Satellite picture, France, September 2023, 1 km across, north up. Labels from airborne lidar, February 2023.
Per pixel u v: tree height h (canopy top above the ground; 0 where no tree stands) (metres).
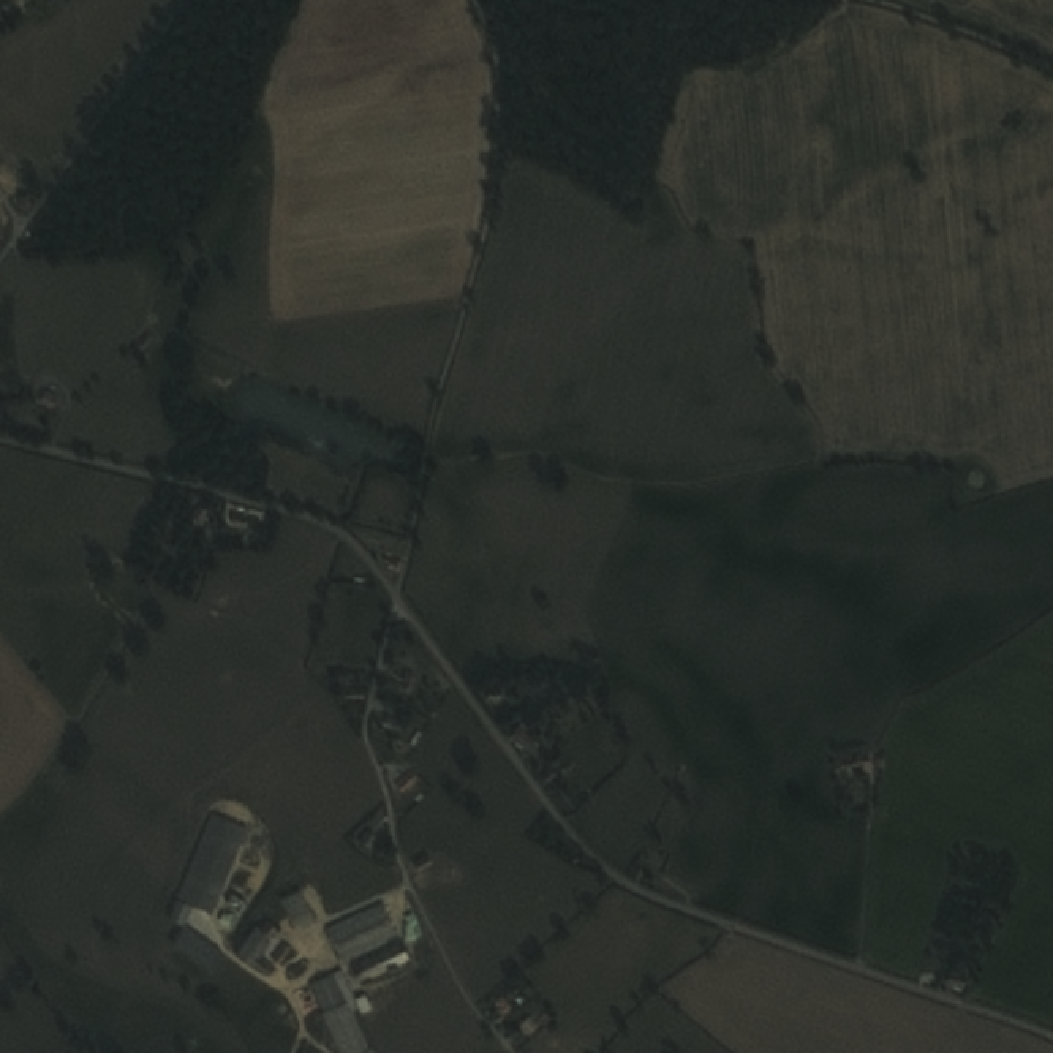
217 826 0
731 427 0
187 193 22
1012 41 11
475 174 0
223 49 23
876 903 0
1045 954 0
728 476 0
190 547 7
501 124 18
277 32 20
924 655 0
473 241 11
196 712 0
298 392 6
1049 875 0
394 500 0
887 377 0
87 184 12
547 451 0
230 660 0
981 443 0
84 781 0
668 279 0
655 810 0
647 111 21
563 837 7
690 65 16
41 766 0
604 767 0
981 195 0
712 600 0
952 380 0
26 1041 0
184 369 17
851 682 0
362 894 0
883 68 0
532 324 0
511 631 0
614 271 0
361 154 0
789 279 0
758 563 0
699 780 0
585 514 0
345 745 0
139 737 0
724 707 0
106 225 25
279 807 0
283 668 0
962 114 0
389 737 11
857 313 0
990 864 12
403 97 0
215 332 0
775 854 0
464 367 0
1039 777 0
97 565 19
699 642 0
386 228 0
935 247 0
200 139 10
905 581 0
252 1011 0
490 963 0
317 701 0
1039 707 0
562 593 0
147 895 0
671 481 0
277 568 0
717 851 0
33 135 0
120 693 0
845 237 0
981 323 0
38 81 0
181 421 17
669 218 0
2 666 0
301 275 0
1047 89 0
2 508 0
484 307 0
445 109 0
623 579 0
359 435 0
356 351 0
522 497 0
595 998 0
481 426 0
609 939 0
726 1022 0
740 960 0
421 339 0
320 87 0
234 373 0
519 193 0
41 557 0
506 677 15
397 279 0
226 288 0
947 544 0
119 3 0
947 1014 0
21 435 12
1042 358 0
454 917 0
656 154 17
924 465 17
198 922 0
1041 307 0
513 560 0
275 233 0
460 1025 0
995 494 0
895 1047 0
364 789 0
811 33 0
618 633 0
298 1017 0
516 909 0
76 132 0
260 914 0
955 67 0
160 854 0
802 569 0
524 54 24
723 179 0
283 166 0
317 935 0
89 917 0
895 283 0
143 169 28
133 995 0
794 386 12
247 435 20
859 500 0
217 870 0
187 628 0
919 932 0
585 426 0
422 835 0
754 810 0
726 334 0
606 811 0
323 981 0
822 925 0
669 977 0
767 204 0
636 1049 0
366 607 0
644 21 16
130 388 0
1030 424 0
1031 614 0
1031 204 0
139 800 0
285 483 0
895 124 0
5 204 0
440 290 0
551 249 0
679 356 0
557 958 0
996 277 0
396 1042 0
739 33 15
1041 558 0
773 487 0
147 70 26
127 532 0
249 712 0
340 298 0
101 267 0
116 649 0
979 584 0
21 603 0
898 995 0
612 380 0
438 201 0
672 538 0
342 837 0
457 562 0
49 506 0
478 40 0
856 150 0
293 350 0
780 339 0
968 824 0
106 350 0
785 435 0
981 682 0
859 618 0
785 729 0
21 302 0
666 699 0
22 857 0
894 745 0
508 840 0
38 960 0
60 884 0
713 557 0
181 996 0
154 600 0
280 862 0
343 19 0
